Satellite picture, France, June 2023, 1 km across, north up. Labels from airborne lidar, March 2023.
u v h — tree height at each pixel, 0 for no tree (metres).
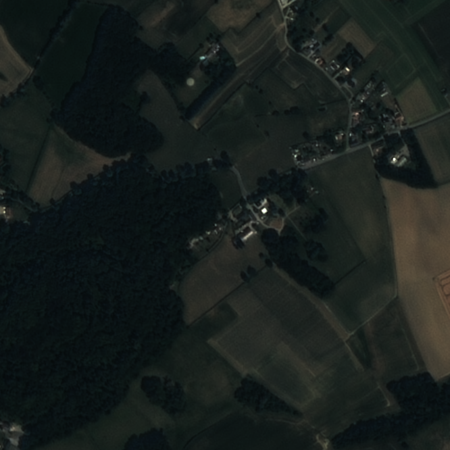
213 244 0
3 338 29
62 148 0
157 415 0
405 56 0
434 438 0
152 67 19
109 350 21
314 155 9
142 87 0
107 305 29
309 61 0
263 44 0
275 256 26
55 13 0
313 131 0
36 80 12
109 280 30
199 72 0
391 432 21
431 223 0
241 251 0
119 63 23
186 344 0
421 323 0
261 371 0
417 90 0
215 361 0
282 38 0
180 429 0
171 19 0
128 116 21
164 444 22
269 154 0
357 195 0
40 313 18
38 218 27
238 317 0
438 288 0
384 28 0
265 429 0
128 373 24
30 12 0
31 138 0
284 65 0
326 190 0
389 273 0
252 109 0
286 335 0
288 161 0
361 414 0
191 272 0
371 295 0
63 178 0
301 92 0
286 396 0
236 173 0
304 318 0
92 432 0
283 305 0
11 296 28
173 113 0
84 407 28
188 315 0
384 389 0
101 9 0
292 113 10
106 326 24
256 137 0
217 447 0
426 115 0
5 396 24
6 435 0
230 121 0
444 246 0
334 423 0
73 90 15
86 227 25
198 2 0
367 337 0
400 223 0
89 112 16
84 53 0
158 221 28
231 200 0
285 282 0
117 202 31
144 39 0
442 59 0
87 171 0
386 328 0
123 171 27
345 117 0
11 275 19
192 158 0
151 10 0
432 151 0
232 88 0
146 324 29
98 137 22
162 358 0
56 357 33
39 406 28
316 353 0
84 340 34
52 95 0
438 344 0
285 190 26
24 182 0
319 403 0
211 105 0
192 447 0
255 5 0
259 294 0
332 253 0
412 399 14
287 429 0
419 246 0
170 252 31
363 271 0
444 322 0
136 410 0
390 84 0
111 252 24
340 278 0
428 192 0
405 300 0
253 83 10
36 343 20
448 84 0
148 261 27
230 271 0
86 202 27
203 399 0
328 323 0
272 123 0
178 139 0
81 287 22
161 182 28
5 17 0
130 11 0
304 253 0
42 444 12
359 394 0
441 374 0
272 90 0
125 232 31
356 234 0
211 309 0
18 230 19
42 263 27
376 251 0
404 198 0
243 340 0
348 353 0
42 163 0
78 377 23
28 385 15
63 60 0
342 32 0
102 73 24
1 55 0
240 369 0
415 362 0
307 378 0
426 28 0
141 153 8
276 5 0
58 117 22
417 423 26
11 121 0
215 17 0
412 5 0
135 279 30
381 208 0
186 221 28
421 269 0
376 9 0
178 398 27
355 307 0
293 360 0
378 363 0
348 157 0
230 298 0
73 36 0
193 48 0
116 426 0
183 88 0
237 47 0
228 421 0
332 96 0
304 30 9
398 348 0
